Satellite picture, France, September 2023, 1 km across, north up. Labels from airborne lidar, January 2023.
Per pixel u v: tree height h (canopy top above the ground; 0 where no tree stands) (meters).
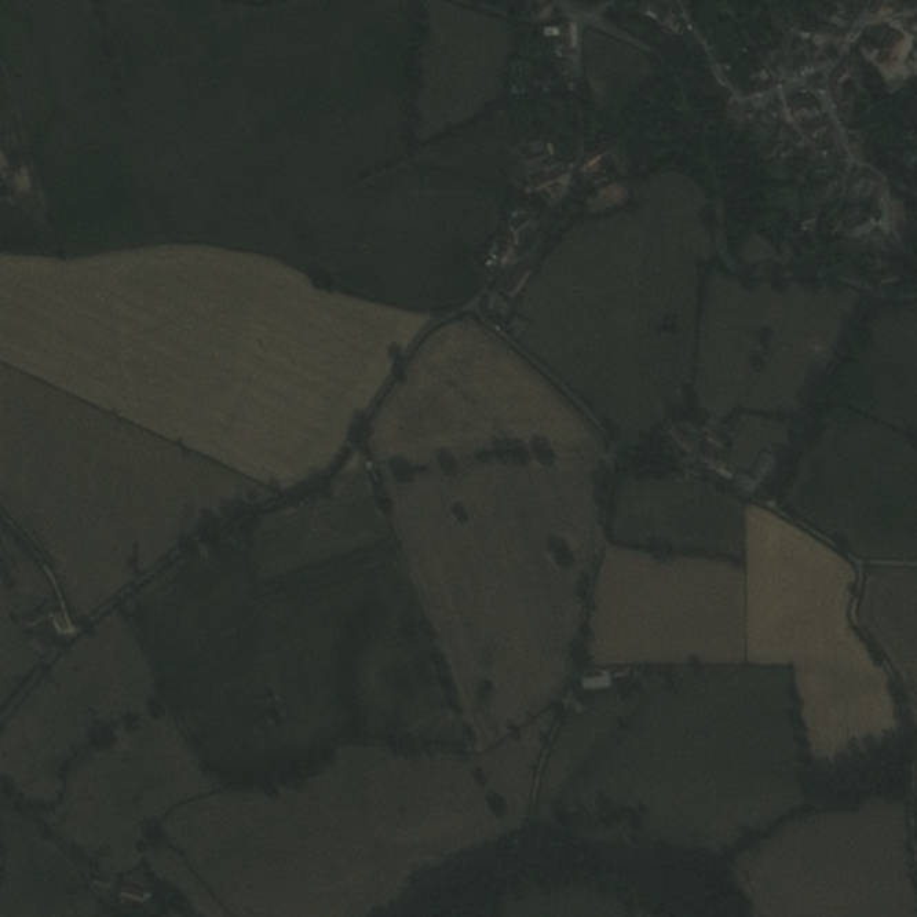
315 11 0
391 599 0
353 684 0
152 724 0
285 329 0
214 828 0
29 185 0
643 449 7
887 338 0
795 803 0
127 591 0
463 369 0
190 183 0
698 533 0
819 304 0
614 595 0
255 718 0
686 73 9
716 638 0
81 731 0
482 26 0
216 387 0
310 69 0
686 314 0
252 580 0
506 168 0
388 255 0
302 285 0
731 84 0
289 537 0
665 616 0
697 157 18
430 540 0
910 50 0
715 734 0
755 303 0
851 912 0
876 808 0
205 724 0
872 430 0
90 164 0
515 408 0
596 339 0
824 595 0
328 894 0
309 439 0
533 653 0
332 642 0
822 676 0
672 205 0
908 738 18
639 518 0
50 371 0
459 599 0
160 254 0
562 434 0
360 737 0
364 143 0
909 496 0
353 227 0
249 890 0
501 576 0
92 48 0
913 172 19
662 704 0
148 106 0
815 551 0
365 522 0
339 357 0
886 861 0
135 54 0
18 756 0
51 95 0
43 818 8
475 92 0
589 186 8
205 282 0
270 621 0
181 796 0
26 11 0
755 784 0
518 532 0
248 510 15
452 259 0
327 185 0
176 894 18
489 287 8
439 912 19
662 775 0
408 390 0
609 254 0
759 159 17
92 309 0
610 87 0
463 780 0
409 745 17
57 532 0
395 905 0
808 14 11
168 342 0
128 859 0
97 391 0
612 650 0
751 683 0
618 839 0
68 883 0
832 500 0
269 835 0
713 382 0
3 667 0
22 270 0
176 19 0
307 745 0
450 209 0
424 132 0
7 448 0
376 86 0
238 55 0
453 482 0
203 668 0
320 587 0
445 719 0
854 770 17
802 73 0
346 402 0
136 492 0
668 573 0
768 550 0
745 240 0
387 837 0
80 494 0
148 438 0
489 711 0
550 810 0
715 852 0
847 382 0
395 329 0
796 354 0
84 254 0
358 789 0
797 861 0
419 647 0
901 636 0
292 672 0
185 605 0
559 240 10
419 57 13
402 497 0
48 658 0
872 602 0
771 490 20
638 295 0
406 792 0
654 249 0
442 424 0
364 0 0
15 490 0
